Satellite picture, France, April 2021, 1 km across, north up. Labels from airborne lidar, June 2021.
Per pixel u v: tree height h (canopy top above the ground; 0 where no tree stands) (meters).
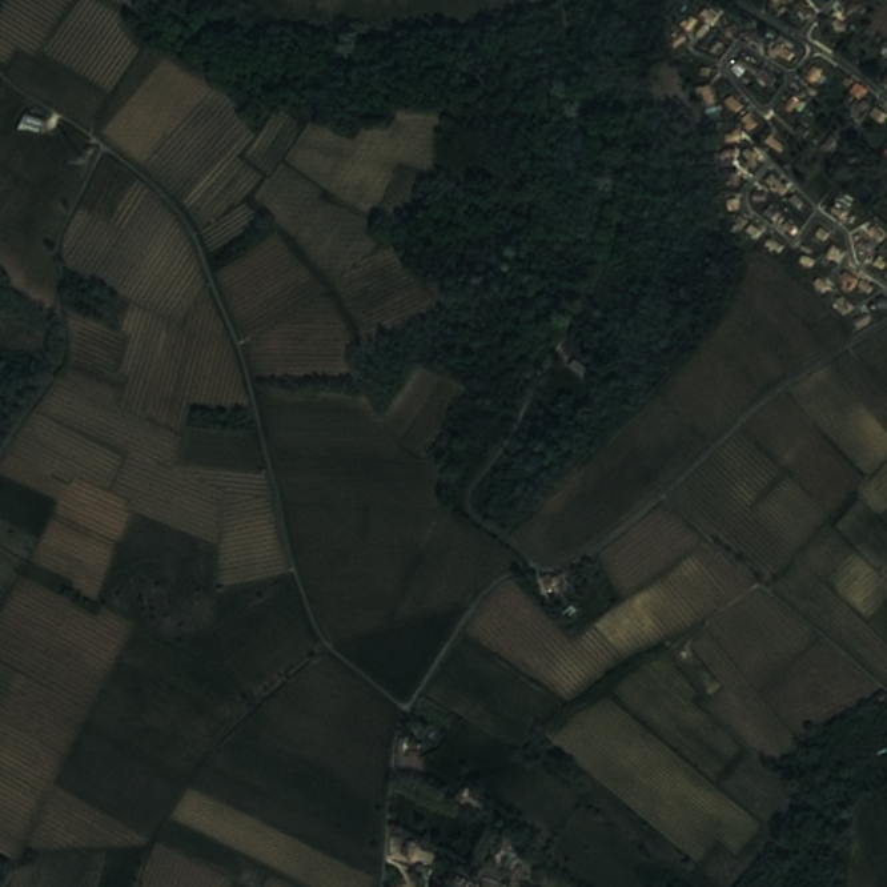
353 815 0
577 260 8
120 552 0
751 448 0
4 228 0
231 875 0
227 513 0
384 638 0
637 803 0
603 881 0
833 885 15
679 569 0
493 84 27
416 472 0
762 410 0
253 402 0
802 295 0
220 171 0
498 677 0
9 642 0
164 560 0
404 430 0
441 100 20
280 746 0
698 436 0
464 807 14
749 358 0
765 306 0
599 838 0
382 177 0
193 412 10
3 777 0
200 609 0
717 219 20
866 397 0
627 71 20
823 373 0
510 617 0
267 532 0
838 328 0
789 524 0
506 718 0
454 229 26
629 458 0
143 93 0
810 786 12
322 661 0
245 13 21
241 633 0
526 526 0
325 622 0
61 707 0
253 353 0
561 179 20
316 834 0
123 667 0
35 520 0
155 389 0
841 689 0
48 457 0
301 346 0
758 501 0
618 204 14
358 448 0
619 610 0
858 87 0
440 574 0
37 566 0
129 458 0
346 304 0
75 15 0
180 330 0
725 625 0
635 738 0
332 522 0
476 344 28
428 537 0
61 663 0
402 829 9
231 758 0
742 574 0
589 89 24
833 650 0
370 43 22
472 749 0
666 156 21
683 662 0
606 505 0
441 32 22
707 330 15
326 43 22
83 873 0
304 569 0
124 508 0
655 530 0
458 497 12
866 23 8
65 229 0
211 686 0
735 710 0
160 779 0
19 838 0
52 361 15
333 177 0
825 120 6
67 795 0
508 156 18
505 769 0
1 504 0
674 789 0
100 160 0
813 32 0
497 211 26
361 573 0
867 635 0
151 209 0
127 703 0
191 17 18
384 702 0
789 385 0
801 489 0
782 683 0
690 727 0
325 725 0
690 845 0
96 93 0
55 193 0
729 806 0
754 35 0
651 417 0
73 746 0
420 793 21
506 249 27
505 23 15
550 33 18
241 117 14
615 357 22
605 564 0
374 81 27
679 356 9
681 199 14
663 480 0
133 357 0
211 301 0
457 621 0
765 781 0
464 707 0
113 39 0
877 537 0
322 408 0
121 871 0
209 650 0
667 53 12
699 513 0
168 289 0
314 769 0
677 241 12
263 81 17
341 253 0
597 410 9
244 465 0
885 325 0
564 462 15
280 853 0
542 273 20
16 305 17
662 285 13
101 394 0
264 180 0
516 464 18
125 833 0
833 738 7
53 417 0
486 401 20
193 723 0
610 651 0
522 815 6
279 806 0
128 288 0
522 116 15
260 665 0
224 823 0
